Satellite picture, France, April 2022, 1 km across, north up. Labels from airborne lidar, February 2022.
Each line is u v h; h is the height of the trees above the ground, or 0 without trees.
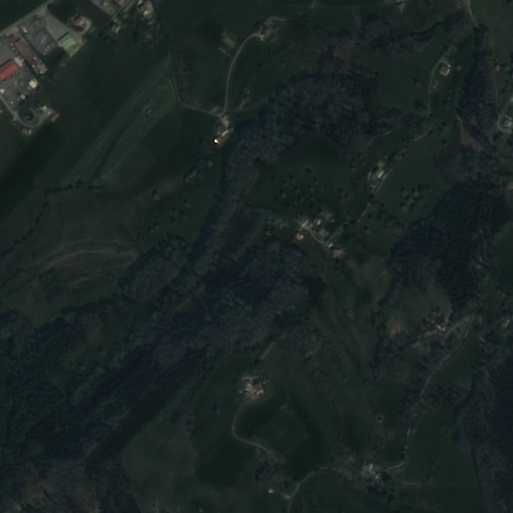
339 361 19
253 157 35
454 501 0
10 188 0
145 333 30
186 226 0
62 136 0
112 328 0
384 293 0
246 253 0
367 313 0
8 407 7
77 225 0
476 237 29
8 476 16
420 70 0
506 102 0
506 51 0
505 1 0
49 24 0
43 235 0
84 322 32
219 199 0
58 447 14
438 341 0
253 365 0
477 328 0
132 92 0
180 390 23
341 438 7
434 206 0
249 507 0
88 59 0
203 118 0
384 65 0
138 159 0
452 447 0
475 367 0
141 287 33
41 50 0
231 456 0
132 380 26
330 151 0
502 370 22
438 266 33
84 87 0
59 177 0
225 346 28
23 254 0
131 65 0
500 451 19
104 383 14
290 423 0
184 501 0
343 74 31
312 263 24
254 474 0
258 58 0
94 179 0
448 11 0
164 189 0
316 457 0
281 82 0
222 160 0
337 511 0
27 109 0
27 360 32
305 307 23
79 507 31
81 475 25
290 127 29
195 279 34
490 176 27
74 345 35
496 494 20
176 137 0
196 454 0
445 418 0
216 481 0
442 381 0
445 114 0
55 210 0
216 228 26
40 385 33
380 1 0
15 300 0
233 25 0
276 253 21
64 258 0
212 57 0
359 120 27
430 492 0
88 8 0
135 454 0
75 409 15
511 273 0
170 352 36
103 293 0
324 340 29
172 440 0
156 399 20
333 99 22
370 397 0
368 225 0
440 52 0
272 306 33
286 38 0
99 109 0
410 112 0
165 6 0
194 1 0
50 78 0
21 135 0
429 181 0
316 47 0
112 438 16
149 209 0
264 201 0
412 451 0
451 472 0
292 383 0
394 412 0
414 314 0
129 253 0
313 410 0
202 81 0
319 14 0
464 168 0
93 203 0
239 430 0
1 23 0
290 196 0
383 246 0
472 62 0
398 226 20
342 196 10
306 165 0
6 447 8
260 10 0
